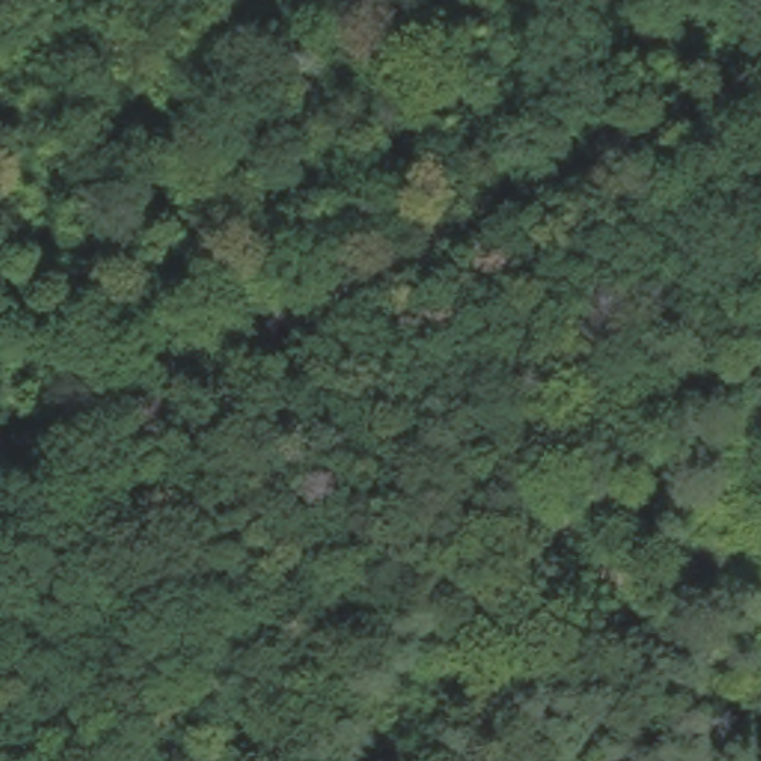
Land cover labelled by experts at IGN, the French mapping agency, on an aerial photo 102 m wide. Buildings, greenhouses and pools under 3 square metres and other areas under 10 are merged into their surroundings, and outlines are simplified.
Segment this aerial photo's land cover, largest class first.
<instances>
[{"label":"deciduous trees","instance_id":"1","mask_svg":"<svg viewBox=\"0 0 761 761\"><path fill-rule=\"evenodd\" d=\"M725 395H731L734 401V407L728 410L731 449L722 455L725 473L713 482L710 490L672 499L666 488H654V467L687 455L678 449L675 431L669 425H660L657 416L663 410H678L687 404L705 407L710 398ZM719 586L737 589V595L761 589V0H0V761H473L476 746L496 737H502L508 746V755L502 761H618L633 746L636 734L648 728L657 716H678L690 705L687 699L666 696L669 681L657 669V663L669 657L690 660L687 645L663 639L654 630L666 624L675 598L690 600L693 595H707ZM428 609L434 633L392 630L398 618ZM532 678L550 681V690L565 696H586L603 687L612 690L606 719L586 737L577 755H568L565 749L553 746V737L547 734V719L520 716L517 696H535Z\"/></svg>","mask_w":761,"mask_h":761},{"label":"coniferous trees","instance_id":"2","mask_svg":"<svg viewBox=\"0 0 761 761\"><path fill-rule=\"evenodd\" d=\"M734 407V401L731 395H725L710 398L705 407L687 404L678 410H663L657 416L660 425H669L675 431L678 449L687 455L654 467V488H666L672 499L710 490L713 482L725 473L722 455L731 449L728 410ZM654 630L663 639L687 645L690 660L669 657L657 663V669L669 681L666 696L687 699L690 705L678 716H657L648 728L636 734L633 746L618 761H761V589L737 595V589L719 586L707 595H693L690 600L675 598L666 624ZM392 630L434 633L428 609L398 618ZM535 696H517L520 716L547 719V734L553 737V746L565 749L568 755H577L586 737L606 719L612 690L603 687L586 696H565L550 690V681L532 678ZM508 755V746L502 737H496L476 746L473 761H502Z\"/></svg>","mask_w":761,"mask_h":761}]
</instances>
